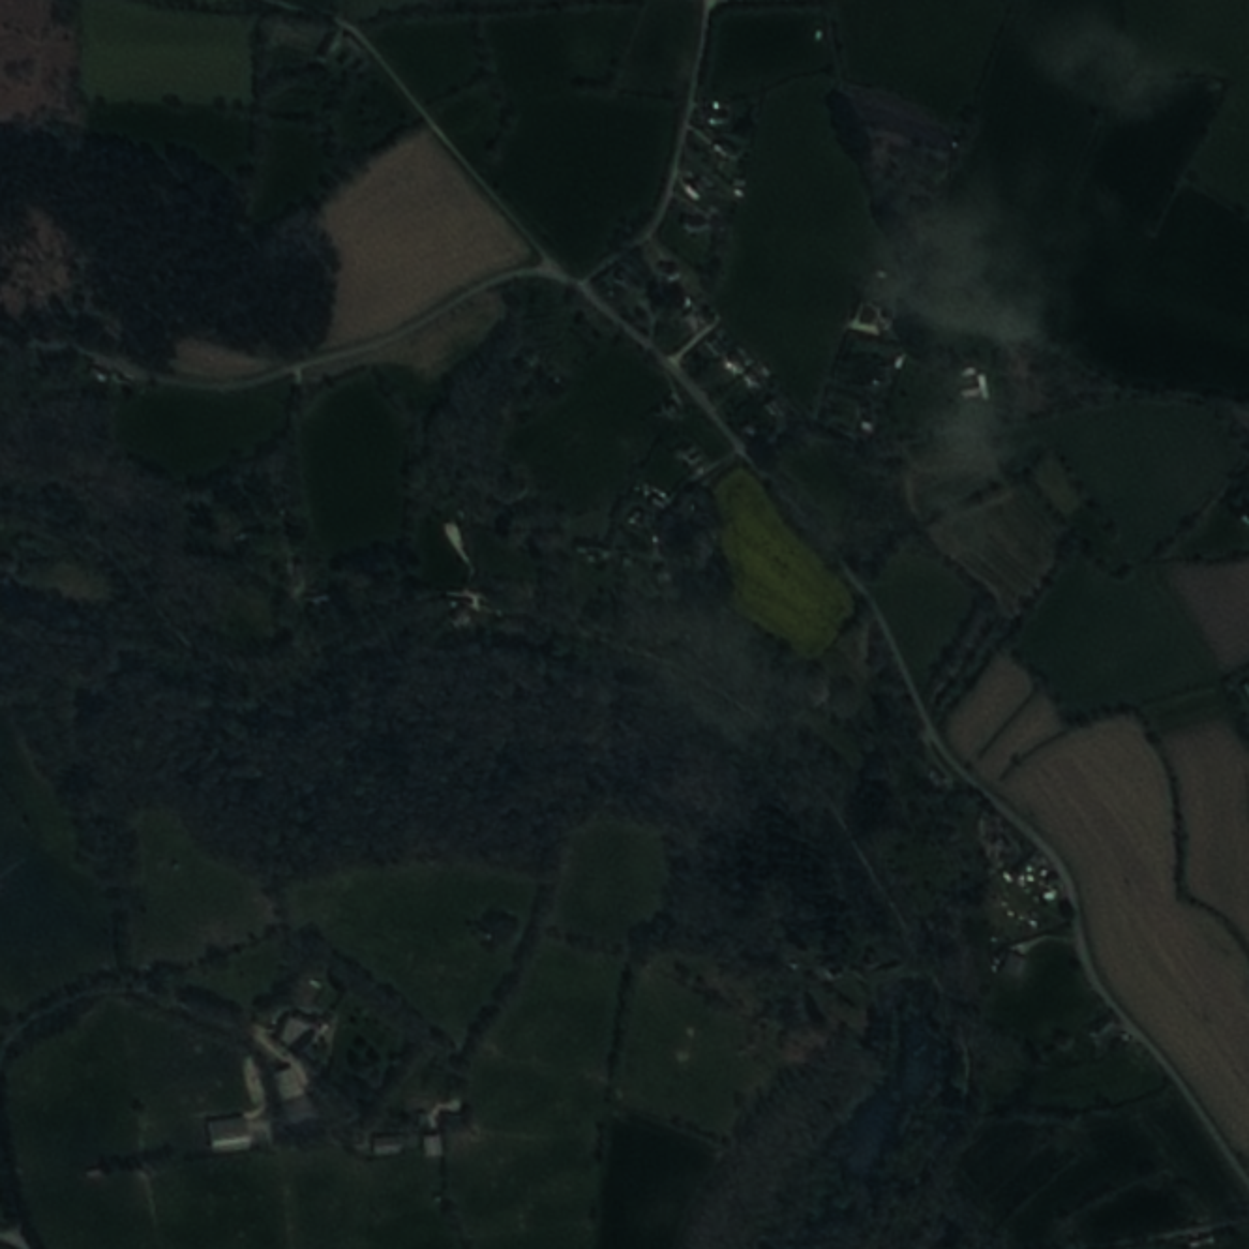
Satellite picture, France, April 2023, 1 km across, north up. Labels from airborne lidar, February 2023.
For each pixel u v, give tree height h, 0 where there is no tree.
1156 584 0
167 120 0
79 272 22
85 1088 0
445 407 9
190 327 17
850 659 0
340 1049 0
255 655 19
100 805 23
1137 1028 0
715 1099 0
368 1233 0
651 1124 0
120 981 9
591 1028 0
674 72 0
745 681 22
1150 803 0
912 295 21
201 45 0
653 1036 0
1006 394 8
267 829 28
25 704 18
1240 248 0
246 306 31
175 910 0
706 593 25
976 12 0
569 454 0
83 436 27
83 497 20
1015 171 0
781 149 0
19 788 0
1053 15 0
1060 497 0
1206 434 0
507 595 14
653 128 0
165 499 20
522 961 11
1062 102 0
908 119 0
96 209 23
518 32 0
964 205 0
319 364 6
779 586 0
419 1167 0
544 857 21
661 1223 0
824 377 0
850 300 0
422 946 0
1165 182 0
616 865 0
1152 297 0
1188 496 0
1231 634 0
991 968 0
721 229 13
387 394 17
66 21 8
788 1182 26
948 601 0
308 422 8
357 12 0
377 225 0
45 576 8
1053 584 8
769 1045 0
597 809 20
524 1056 0
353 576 22
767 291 0
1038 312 0
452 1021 0
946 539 0
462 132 0
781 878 20
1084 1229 0
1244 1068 0
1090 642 0
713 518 16
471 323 0
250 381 0
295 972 14
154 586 22
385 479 0
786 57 0
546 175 0
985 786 0
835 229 0
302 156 0
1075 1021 0
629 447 0
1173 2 0
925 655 0
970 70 0
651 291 11
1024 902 0
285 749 27
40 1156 0
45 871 0
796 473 0
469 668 21
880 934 21
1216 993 0
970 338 0
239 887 0
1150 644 0
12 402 18
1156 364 0
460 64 0
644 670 8
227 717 25
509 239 0
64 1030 9
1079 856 0
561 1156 0
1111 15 0
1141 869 0
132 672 29
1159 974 0
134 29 0
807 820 21
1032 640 0
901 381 0
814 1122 29
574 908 0
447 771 27
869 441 9
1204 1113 0
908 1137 7
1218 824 0
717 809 27
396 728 22
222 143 0
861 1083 25
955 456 0
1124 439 0
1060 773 0
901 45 0
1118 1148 0
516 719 27
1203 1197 0
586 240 0
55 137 15
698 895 21
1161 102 0
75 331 12
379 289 0
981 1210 9
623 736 25
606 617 16
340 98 7
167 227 21
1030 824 0
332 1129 14
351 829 21
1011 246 0
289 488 16
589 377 0
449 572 0
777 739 17
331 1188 0
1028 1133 0
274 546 13
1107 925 0
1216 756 0
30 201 22
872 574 14
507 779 26
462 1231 7
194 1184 0
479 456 18
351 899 0
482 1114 0
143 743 27
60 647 25
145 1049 0
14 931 0
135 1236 0
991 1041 19
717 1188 15
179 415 0
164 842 0
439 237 0
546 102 0
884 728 15
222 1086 0
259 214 0
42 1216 0
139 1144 0
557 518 8
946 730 0
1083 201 0
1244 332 0
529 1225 0
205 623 21
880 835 17
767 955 20
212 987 0
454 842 27
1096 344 0
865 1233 10
